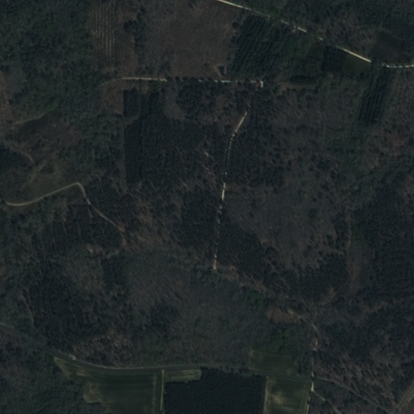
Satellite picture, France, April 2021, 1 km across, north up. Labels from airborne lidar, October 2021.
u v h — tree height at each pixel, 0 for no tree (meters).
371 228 20
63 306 14
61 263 18
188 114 9
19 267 17
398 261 18
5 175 22
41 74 15
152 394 0
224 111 6
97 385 0
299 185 20
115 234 20
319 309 13
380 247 19
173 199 12
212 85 18
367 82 15
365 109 10
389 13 12
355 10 12
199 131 18
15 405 18
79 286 17
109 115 10
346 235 17
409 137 8
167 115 14
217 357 17
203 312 23
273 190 7
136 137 8
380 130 12
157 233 13
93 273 21
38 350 18
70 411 11
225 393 11
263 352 16
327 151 12
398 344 17
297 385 0
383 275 18
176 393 13
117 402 0
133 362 14
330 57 21
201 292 17
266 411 0
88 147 17
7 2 16
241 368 10
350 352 19
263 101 16
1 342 8
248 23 10
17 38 18
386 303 18
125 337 15
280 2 20
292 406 0
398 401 16
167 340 19
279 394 0
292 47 15
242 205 15
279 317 11
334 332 19
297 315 19
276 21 17
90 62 15
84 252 19
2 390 22
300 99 18
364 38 10
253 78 10
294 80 13
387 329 18
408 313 16
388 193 20
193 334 11
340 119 14
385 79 15
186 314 15
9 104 9
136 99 22
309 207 12
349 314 16
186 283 16
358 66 0
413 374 18
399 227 18
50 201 20
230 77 7
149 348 18
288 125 12
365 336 17
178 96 10
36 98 17
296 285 19
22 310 26
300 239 16
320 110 14
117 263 22
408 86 14
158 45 10
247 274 20
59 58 20
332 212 16
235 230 21
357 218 21
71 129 8
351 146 12
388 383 15
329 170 19
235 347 17
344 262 16
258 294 22
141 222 16
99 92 13
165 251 13
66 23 16
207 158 16
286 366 0
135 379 0
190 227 23
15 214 0
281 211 15
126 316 20
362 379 7
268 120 16
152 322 9
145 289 16
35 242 17
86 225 15
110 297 17
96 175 14
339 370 19
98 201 10
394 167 11
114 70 16
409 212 13
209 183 16
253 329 20
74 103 14
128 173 10
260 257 19
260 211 15
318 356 18
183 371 0
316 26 16
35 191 0
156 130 20
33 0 14
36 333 14
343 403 10
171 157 20
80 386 9
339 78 19
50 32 17
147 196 19
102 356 14
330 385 14
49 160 0
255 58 9
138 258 20
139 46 16
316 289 18
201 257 15
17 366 16
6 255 8
